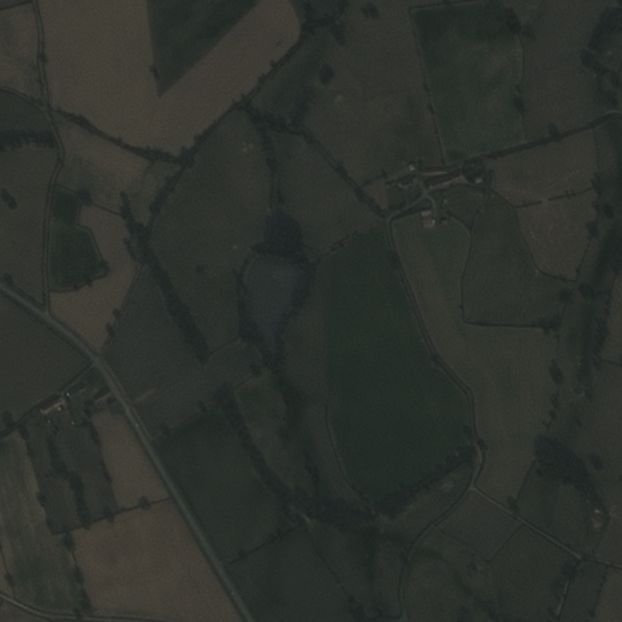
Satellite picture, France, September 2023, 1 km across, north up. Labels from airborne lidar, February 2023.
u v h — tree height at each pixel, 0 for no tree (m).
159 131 0
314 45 0
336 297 0
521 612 0
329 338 0
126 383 0
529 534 0
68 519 0
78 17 0
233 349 0
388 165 0
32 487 0
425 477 11
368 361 0
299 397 0
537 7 0
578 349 0
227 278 0
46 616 0
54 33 0
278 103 0
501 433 0
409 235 0
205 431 0
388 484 0
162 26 0
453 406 0
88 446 0
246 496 0
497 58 0
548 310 0
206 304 0
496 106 0
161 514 0
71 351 0
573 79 0
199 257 0
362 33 0
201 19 0
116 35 0
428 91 10
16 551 0
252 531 0
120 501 0
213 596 0
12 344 0
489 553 0
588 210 0
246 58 0
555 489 0
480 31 0
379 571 0
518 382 0
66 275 0
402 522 0
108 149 0
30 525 0
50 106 10
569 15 0
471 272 0
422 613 0
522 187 0
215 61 0
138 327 0
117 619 0
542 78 0
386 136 0
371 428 0
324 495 0
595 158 0
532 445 0
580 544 0
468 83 0
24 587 0
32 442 0
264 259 0
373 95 0
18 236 0
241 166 0
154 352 0
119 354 0
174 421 0
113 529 0
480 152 0
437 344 0
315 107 0
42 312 0
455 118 0
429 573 0
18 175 0
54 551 0
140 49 0
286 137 0
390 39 0
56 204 0
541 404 0
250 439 17
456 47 0
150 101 0
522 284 0
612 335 0
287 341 0
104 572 0
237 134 0
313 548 0
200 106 0
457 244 0
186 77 0
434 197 0
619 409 0
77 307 0
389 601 0
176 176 8
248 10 0
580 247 0
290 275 0
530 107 0
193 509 0
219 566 0
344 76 0
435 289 0
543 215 0
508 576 0
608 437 0
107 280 0
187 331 18
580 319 0
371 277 0
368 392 0
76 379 0
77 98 0
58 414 0
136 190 0
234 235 0
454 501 0
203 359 17
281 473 0
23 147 0
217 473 0
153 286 0
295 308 6
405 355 0
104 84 0
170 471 0
